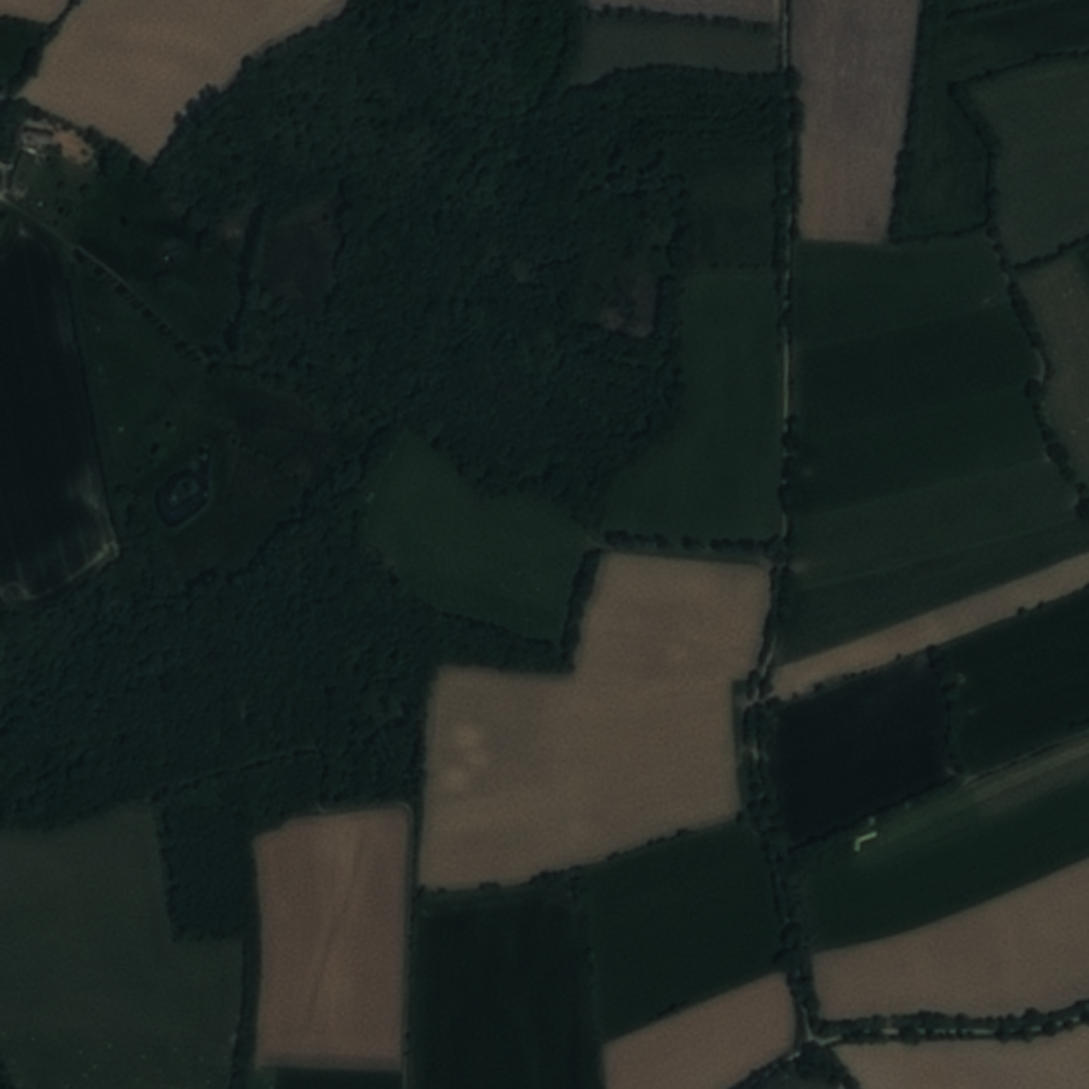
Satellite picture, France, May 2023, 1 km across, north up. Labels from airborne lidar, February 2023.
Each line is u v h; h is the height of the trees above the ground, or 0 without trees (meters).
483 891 9
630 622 0
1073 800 0
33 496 0
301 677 17
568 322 11
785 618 11
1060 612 0
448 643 17
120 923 0
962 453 0
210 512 0
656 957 0
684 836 8
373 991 0
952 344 0
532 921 0
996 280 0
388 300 17
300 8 0
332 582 18
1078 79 0
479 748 0
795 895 12
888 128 0
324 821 0
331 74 8
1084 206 0
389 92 7
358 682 9
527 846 0
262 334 11
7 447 0
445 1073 0
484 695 0
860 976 0
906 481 0
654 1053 0
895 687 0
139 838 0
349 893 0
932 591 0
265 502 0
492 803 0
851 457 0
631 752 0
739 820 10
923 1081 0
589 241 10
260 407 0
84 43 0
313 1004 0
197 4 0
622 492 0
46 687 17
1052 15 0
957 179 0
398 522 0
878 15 0
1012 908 0
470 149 11
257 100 10
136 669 17
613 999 0
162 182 13
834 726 0
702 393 0
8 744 20
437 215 16
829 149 0
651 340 9
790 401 0
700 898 0
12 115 11
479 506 0
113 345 0
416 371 19
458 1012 0
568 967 0
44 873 0
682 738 0
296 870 0
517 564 0
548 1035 0
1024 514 0
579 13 15
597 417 6
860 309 0
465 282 14
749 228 0
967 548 0
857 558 0
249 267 25
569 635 9
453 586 0
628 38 0
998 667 0
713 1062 0
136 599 8
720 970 0
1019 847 0
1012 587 0
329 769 14
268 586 16
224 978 0
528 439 15
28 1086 0
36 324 0
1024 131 0
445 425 13
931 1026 13
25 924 0
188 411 0
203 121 31
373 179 6
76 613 13
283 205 17
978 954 0
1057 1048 0
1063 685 0
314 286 0
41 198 0
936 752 0
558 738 0
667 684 0
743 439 0
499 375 19
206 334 0
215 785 7
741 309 0
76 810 10
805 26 0
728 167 0
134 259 0
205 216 10
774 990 0
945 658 9
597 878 0
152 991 0
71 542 0
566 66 18
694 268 7
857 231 0
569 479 18
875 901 0
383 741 14
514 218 9
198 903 16
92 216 0
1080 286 0
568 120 16
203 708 13
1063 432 0
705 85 12
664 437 15
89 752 16
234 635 20
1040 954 0
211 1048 0
